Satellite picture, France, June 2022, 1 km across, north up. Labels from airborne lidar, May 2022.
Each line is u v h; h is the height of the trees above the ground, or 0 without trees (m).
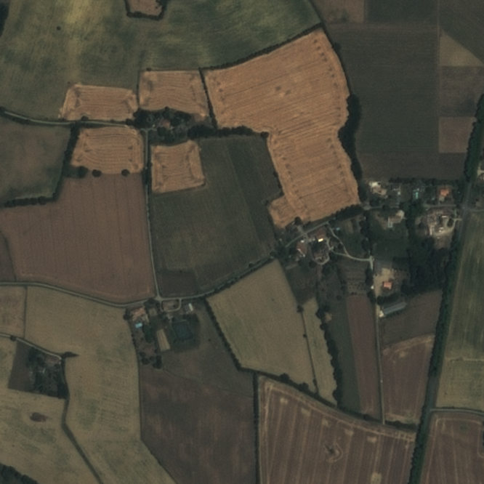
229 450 0
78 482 0
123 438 0
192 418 0
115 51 0
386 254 0
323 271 14
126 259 0
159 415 0
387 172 0
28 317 0
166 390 0
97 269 0
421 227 10
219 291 11
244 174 0
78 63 0
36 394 0
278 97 0
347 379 0
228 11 0
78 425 0
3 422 0
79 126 9
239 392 0
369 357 0
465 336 0
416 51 0
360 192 13
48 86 0
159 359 10
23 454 0
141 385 0
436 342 6
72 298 0
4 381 0
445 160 0
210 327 0
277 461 0
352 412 7
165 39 0
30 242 0
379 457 0
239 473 0
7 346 0
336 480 0
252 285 0
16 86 0
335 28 0
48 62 0
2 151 0
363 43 0
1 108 10
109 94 0
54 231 0
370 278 13
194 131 16
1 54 0
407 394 0
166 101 0
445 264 7
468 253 0
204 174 0
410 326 0
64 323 0
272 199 0
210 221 0
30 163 0
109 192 0
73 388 0
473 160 22
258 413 9
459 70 0
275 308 0
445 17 0
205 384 0
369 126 0
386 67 0
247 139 0
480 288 0
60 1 0
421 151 0
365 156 0
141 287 0
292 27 0
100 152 0
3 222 0
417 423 0
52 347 0
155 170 0
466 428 0
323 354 0
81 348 0
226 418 0
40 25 0
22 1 0
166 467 0
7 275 0
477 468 0
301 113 0
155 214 0
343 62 7
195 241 0
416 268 6
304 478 0
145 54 0
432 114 0
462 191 9
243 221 0
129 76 0
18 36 0
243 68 0
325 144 0
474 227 0
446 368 0
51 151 0
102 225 0
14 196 0
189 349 0
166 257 0
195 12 0
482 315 0
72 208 0
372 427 0
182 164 0
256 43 0
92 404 0
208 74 0
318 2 0
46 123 0
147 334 11
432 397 0
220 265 0
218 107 0
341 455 0
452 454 0
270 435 0
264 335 0
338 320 0
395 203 0
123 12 0
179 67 0
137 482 0
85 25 0
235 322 0
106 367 0
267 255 0
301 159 0
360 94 0
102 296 0
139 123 13
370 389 0
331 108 0
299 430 0
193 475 0
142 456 0
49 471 0
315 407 0
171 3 0
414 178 9
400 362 0
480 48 0
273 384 0
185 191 0
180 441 0
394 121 0
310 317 0
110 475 0
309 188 0
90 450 0
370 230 13
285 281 0
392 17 0
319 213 0
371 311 0
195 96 0
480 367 0
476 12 0
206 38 0
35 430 0
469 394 0
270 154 0
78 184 0
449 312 16
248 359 0
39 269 0
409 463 0
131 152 0
